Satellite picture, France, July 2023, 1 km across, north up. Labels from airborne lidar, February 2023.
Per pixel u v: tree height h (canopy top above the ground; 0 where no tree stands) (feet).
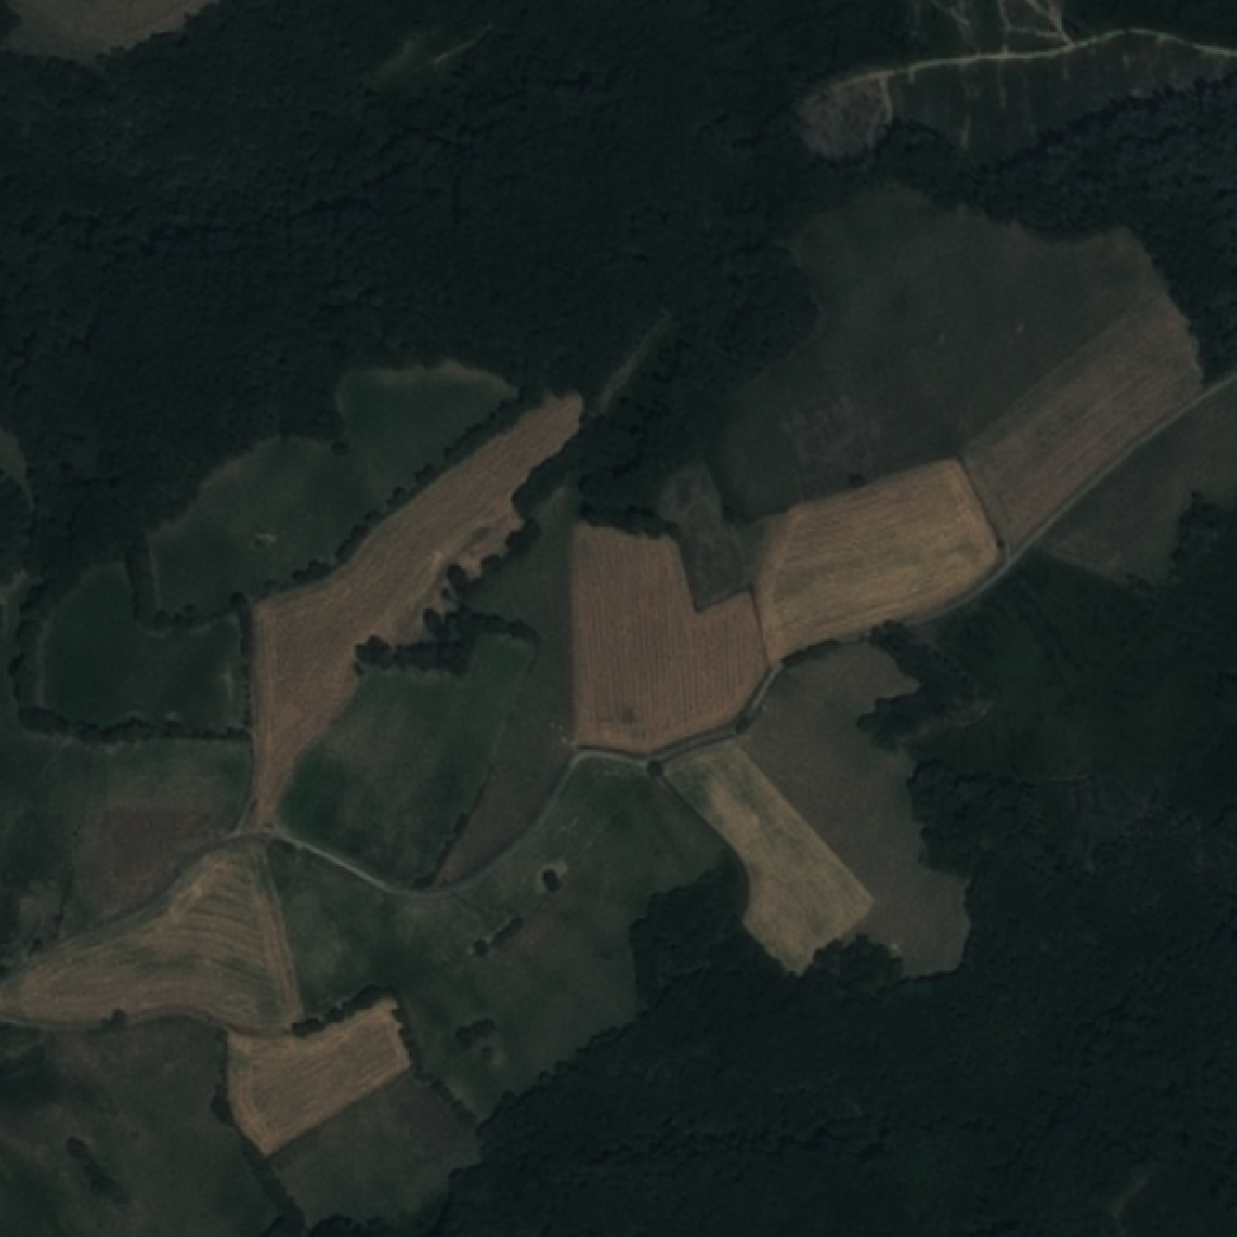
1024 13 0
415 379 0
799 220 62
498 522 0
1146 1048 84
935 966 0
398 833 0
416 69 0
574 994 0
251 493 0
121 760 0
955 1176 84
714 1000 52
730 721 0
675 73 81
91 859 0
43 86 53
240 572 0
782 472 0
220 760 0
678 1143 92
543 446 0
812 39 33
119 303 93
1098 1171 73
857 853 0
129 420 76
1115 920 72
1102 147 110
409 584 0
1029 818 75
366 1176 0
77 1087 0
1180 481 0
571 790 0
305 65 72
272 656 0
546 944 0
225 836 0
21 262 90
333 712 0
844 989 52
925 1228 52
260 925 0
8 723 0
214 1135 0
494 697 0
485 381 0
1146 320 0
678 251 88
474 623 51
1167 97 91
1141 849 50
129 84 27
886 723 62
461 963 0
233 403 70
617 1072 62
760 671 0
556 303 76
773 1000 38
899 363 0
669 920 51
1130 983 75
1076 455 0
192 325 78
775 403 0
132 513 83
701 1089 80
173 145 62
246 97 55
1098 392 0
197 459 54
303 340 85
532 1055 0
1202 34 75
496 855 0
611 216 94
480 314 86
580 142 88
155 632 29
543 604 0
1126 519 0
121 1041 0
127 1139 0
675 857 0
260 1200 0
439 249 92
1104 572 0
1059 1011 72
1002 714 0
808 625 0
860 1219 54
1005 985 78
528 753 0
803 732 0
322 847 0
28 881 0
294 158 64
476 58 46
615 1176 91
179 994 0
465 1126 47
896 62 53
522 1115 65
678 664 0
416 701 0
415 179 107
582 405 0
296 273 81
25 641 38
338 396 46
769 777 0
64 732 34
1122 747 0
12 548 65
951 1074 75
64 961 0
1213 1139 86
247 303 87
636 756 0
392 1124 0
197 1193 0
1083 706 0
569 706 0
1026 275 0
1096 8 75
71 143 54
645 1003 42
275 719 0
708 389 81
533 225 74
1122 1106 69
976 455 0
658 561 0
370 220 88
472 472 0
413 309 101
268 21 61
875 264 0
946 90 73
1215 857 52
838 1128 96
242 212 91
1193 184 79
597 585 0
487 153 80
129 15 0
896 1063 62
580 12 74
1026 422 0
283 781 0
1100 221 61
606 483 73
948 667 48
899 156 76
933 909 0
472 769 0
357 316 74
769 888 0
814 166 81
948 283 0
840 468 0
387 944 0
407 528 0
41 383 99
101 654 0
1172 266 43
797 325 76
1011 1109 79
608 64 79
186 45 44
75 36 0
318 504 0
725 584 0
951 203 65
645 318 89
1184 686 0
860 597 0
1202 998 69
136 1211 0
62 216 106
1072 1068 69
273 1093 0
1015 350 0
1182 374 0
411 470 0
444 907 0
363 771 0
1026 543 0
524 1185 89
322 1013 0
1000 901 72
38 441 71
